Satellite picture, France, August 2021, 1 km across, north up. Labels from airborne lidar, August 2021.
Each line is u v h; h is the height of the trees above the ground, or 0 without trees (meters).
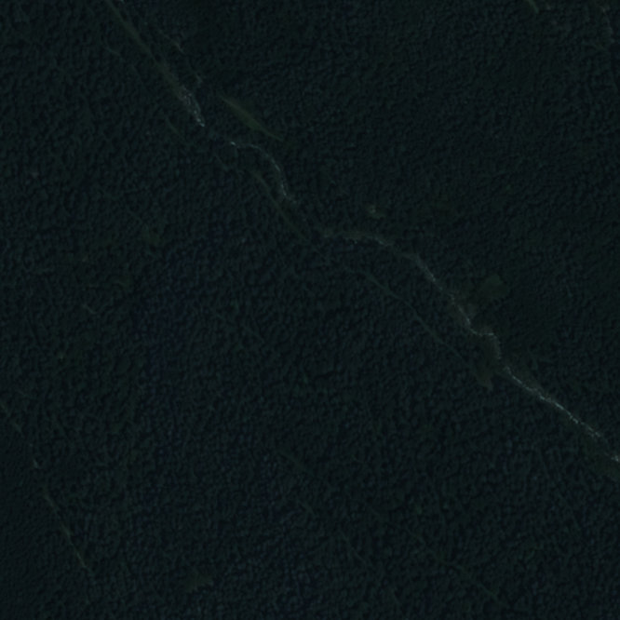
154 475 19
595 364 31
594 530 31
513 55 21
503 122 26
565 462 25
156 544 21
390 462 9
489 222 21
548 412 27
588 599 7
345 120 20
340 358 29
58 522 21
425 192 21
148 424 32
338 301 27
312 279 37
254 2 8
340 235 6
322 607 33
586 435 8
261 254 35
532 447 31
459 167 26
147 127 30
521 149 13
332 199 24
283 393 28
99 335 33
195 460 29
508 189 22
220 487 29
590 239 23
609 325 30
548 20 16
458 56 27
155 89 26
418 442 27
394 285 32
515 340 9
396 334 28
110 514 32
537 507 15
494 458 31
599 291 29
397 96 19
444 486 32
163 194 30
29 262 34
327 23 18
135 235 12
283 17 6
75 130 31
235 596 22
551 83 27
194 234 27
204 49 5
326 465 30
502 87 24
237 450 29
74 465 19
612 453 8
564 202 23
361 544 35
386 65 24
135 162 31
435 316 33
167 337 24
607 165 19
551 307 14
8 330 26
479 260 25
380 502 22
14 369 31
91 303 26
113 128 20
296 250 12
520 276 10
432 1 17
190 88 8
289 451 6
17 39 7
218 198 34
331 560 28
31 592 27
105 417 28
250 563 30
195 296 29
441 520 21
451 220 10
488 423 21
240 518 20
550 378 23
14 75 28
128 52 36
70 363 8
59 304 35
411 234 27
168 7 36
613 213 28
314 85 19
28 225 28
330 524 13
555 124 12
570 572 31
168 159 32
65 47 27
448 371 9
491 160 21
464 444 7
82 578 33
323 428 27
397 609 25
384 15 20
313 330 14
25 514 30
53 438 16
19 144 28
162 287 35
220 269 28
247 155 28
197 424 12
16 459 26
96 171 21
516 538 22
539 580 6
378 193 25
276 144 18
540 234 25
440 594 32
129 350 39
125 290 38
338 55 24
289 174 17
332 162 22
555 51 19
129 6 10
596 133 22
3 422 26
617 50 22
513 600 20
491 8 34
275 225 26
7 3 24
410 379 27
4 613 25
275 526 20
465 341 23
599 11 15
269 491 28
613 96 26
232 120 26
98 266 11
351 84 23
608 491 34
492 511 28
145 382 21
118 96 25
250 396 15
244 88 33
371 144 21
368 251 35
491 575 39
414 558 29
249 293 23
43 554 27
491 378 0
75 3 24
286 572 24
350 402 8
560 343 12
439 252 25
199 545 27
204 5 8
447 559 7
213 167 13
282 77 24
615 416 29
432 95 22
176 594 26
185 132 8
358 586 32
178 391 27
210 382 32
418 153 22
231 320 32
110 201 31
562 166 23
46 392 32
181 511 30
